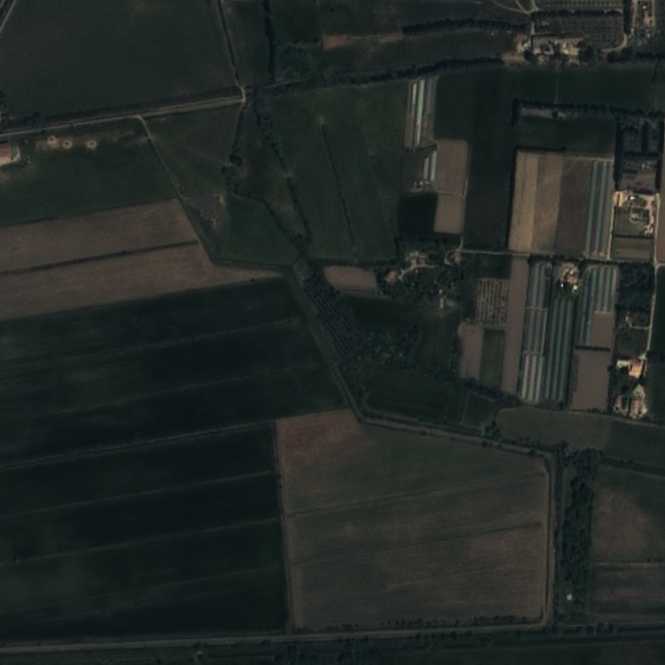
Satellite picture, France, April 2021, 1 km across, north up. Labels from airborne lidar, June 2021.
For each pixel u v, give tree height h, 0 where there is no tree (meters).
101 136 0
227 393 0
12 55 0
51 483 0
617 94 0
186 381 0
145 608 0
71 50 0
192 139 0
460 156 0
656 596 0
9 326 0
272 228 0
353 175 0
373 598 0
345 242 0
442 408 0
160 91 0
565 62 9
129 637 0
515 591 0
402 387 0
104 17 0
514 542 0
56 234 0
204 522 0
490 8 0
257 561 0
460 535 0
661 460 0
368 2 0
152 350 0
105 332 0
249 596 0
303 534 0
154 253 0
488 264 6
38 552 0
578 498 11
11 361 0
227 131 0
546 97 0
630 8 6
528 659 0
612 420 0
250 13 0
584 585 10
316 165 0
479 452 0
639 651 0
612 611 0
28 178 0
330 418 0
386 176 0
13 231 0
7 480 0
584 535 10
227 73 0
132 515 0
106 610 0
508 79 0
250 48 0
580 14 13
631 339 7
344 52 0
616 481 0
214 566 0
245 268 0
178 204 0
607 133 0
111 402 0
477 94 0
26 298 0
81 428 0
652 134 7
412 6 0
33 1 0
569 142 0
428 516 0
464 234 0
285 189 0
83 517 0
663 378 0
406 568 0
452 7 0
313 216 0
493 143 0
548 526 0
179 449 0
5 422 0
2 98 11
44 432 0
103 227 0
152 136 0
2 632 0
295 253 0
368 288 0
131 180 0
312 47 0
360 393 7
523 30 11
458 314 0
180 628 0
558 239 0
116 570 0
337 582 0
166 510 0
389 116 0
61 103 0
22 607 0
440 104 0
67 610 0
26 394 0
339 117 0
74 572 0
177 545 0
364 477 0
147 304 0
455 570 0
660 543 0
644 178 0
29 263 0
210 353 0
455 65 16
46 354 0
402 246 15
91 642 0
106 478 0
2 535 0
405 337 8
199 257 0
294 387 0
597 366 0
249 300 0
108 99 0
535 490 0
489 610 0
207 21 0
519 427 0
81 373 0
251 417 0
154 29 0
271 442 0
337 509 0
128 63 0
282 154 12
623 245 0
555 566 0
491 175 0
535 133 0
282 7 0
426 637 10
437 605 0
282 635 0
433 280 0
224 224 0
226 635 0
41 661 0
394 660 0
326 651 6
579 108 11
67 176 0
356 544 0
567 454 13
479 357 0
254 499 0
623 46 0
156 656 0
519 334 0
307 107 0
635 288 10
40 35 0
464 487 0
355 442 0
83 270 0
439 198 0
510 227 6
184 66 0
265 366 0
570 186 0
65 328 0
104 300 0
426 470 0
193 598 0
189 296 0
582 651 0
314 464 0
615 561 0
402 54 0
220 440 0
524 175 0
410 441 0
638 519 0
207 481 0
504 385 0
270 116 8
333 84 7
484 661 0
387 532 0
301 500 0
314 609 0
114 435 0
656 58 16
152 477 0
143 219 0
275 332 0
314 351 0
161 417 0
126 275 0
